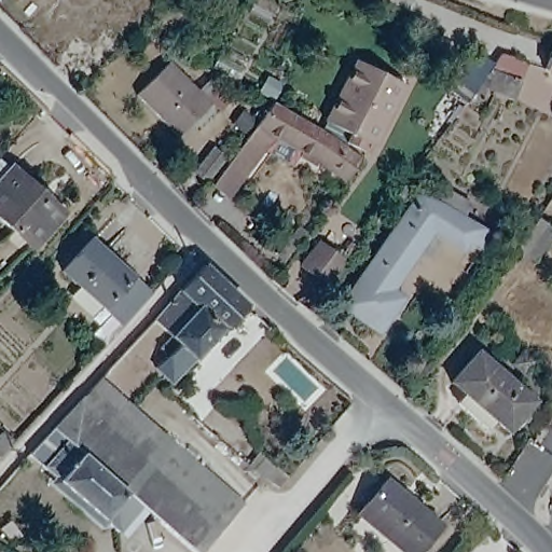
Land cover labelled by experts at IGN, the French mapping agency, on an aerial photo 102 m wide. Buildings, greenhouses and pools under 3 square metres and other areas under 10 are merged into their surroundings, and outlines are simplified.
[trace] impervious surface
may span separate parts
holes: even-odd
[[[332,252],[341,250],[354,248],[354,252],[358,252],[356,246],[362,244],[364,235],[358,233],[358,224],[354,220],[345,218],[343,213],[334,213],[326,207],[326,224],[321,226],[323,235],[311,242],[311,248],[300,257],[300,261],[306,259],[311,250],[319,244],[328,246]]]
[[[420,259],[414,263],[412,274],[418,278],[427,280],[436,289],[449,291],[453,282],[464,274],[470,257],[451,242],[433,237],[420,254]]]
[[[390,390],[386,390],[375,377],[371,377],[358,362],[354,362],[339,345],[323,339],[313,323],[308,323],[298,313],[300,302],[313,308],[330,300],[336,300],[332,287],[339,278],[339,272],[300,274],[300,261],[289,267],[287,285],[280,285],[276,289],[270,289],[257,274],[252,274],[211,233],[213,226],[218,226],[222,220],[229,220],[239,231],[252,229],[252,218],[237,209],[233,201],[218,196],[207,198],[205,205],[198,207],[194,207],[192,203],[185,198],[185,181],[175,183],[179,192],[173,194],[0,22],[0,73],[2,73],[2,60],[9,58],[39,91],[52,93],[56,97],[52,121],[65,134],[88,129],[119,160],[127,181],[155,205],[155,209],[173,224],[173,229],[179,235],[190,237],[190,246],[201,248],[211,261],[216,261],[224,272],[229,272],[237,280],[237,293],[250,304],[250,313],[246,315],[242,326],[222,334],[220,341],[201,358],[194,377],[196,392],[190,397],[190,405],[198,414],[201,418],[205,418],[213,410],[211,403],[209,390],[216,390],[229,373],[233,373],[237,362],[263,336],[265,328],[278,328],[285,326],[304,349],[308,349],[336,377],[341,377],[349,388],[354,388],[354,392],[360,392],[358,401],[349,405],[349,408],[354,412],[354,427],[360,429],[360,438],[354,442],[351,453],[354,457],[364,457],[373,449],[405,449],[408,444],[438,474],[438,481],[427,479],[427,474],[416,474],[408,481],[408,489],[416,492],[418,483],[425,483],[427,489],[438,489],[444,483],[457,496],[468,496],[477,507],[481,507],[487,513],[489,524],[498,528],[500,539],[507,541],[507,552],[552,552],[552,433],[548,429],[541,429],[535,440],[526,442],[511,472],[500,479],[498,483],[492,483],[442,436],[433,433],[433,429],[425,425],[420,416],[410,412]]]
[[[315,390],[308,397],[300,397],[276,373],[282,362],[295,367],[295,371],[313,384]],[[280,354],[265,369],[265,373],[276,386],[282,386],[285,390],[291,392],[298,408],[311,410],[323,395],[323,386],[315,375],[306,373],[287,354]]]
[[[362,474],[356,470],[351,472],[351,481],[345,485],[345,489],[336,496],[336,500],[330,507],[332,520],[339,524],[349,507]]]
[[[442,123],[451,123],[451,127],[457,121],[455,110],[461,106],[457,99],[449,99],[446,95],[444,95],[436,108],[433,125],[429,129],[431,136],[436,136]]]
[[[392,0],[410,9],[418,9],[427,17],[436,17],[444,30],[449,47],[453,43],[466,47],[479,39],[481,43],[485,43],[489,60],[498,63],[502,56],[511,56],[528,65],[526,75],[522,78],[520,95],[520,101],[528,108],[535,108],[539,112],[548,112],[552,108],[552,30],[550,30],[550,32],[546,32],[541,41],[526,35],[509,35],[505,30],[485,26],[472,17],[449,11],[429,0]]]
[[[367,520],[360,520],[354,526],[356,533],[364,535],[362,552],[395,552],[397,546],[380,528],[369,524]]]

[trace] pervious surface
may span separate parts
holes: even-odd
[[[207,444],[201,436],[196,436],[190,444],[198,451],[203,464],[209,464],[231,487],[239,492],[242,500],[246,502],[242,511],[233,518],[233,522],[213,541],[213,548],[218,552],[270,552],[276,546],[276,541],[287,533],[287,528],[300,518],[300,513],[311,505],[313,498],[326,487],[326,483],[336,474],[336,470],[349,459],[351,453],[354,442],[360,438],[360,429],[354,427],[354,412],[349,408],[339,418],[334,425],[334,438],[321,440],[317,446],[317,455],[313,457],[308,468],[298,477],[291,489],[267,492],[261,489],[259,481],[248,483],[244,479],[242,457],[235,457],[231,453],[220,455],[216,446]]]
[[[449,356],[444,369],[436,375],[436,412],[418,408],[412,399],[403,395],[403,388],[397,382],[392,382],[392,377],[386,375],[382,369],[367,360],[336,332],[330,323],[323,323],[317,317],[313,308],[300,302],[298,313],[308,323],[313,323],[323,339],[339,345],[354,362],[358,362],[371,377],[375,377],[386,390],[390,390],[410,412],[420,416],[425,425],[433,429],[433,433],[442,436],[492,483],[498,483],[500,479],[483,459],[479,459],[449,431],[449,423],[455,420],[459,412],[464,412],[464,392],[457,386],[451,388],[451,380],[457,377],[466,369],[466,364],[481,351],[483,343],[472,336],[466,336],[466,341]]]
[[[280,285],[274,278],[270,278],[263,270],[218,226],[213,226],[211,233],[252,274],[257,274],[270,289],[276,289]]]
[[[455,520],[451,515],[449,505],[455,502],[457,496],[444,483],[438,489],[438,496],[431,498],[431,505],[444,522],[442,535],[433,541],[436,552],[440,552],[455,533]]]
[[[162,244],[170,242],[175,246],[181,246],[181,257],[181,272],[177,276],[166,276],[160,282],[153,289],[144,304],[132,315],[132,319],[119,323],[116,330],[104,341],[104,349],[82,367],[73,382],[47,405],[47,410],[17,440],[11,446],[11,451],[0,457],[0,487],[11,479],[15,470],[19,470],[28,461],[35,449],[106,377],[106,373],[116,364],[116,360],[155,321],[160,313],[175,300],[175,295],[188,289],[211,261],[201,248],[190,246],[190,237],[179,235],[173,229],[173,224],[155,209],[155,205],[127,181],[119,160],[88,129],[65,134],[52,121],[56,97],[52,93],[39,91],[9,58],[2,60],[2,73],[19,86],[24,86],[28,95],[41,106],[41,114],[30,114],[28,123],[26,134],[19,136],[15,144],[11,144],[11,153],[4,155],[4,160],[6,164],[22,166],[22,170],[35,177],[39,183],[43,181],[37,164],[54,162],[58,166],[65,166],[65,173],[60,177],[54,177],[50,183],[50,190],[56,192],[65,183],[73,181],[78,188],[78,201],[71,203],[67,211],[69,224],[86,207],[91,196],[106,185],[106,177],[112,175],[114,185],[127,194],[127,203],[99,203],[99,218],[93,222],[97,233],[99,237],[106,237],[104,246],[112,244],[112,248],[123,250],[127,254],[127,263],[138,272],[138,276],[147,276],[149,267],[155,261],[155,252]]]
[[[349,405],[358,401],[360,392],[354,392],[354,388],[349,388],[341,377],[336,377],[308,349],[304,349],[285,326],[278,328],[278,332],[291,347],[300,351],[315,369],[323,371],[326,377],[332,384],[336,384],[343,392],[347,395]]]
[[[67,282],[67,278],[63,276],[63,267],[60,263],[54,265],[54,278],[58,287],[63,287],[63,291],[71,298],[80,289],[78,285]]]
[[[144,524],[134,535],[121,537],[123,552],[192,552],[194,543],[190,543],[181,533],[177,533],[164,518],[153,522],[151,515],[147,515]]]
[[[500,539],[481,541],[477,546],[479,552],[507,552],[507,541]]]
[[[101,60],[104,52],[108,52],[114,45],[114,39],[101,32],[97,43],[75,41],[63,50],[58,65],[54,65],[0,9],[0,22],[173,194],[179,192],[175,183],[164,173],[160,170],[155,160],[149,160],[129,138],[121,134],[97,110],[97,106],[82,91],[73,88],[73,84],[69,82],[69,73],[91,73],[91,65]]]
[[[546,19],[552,19],[552,0],[466,0],[468,4],[485,9],[496,15],[502,15],[505,9],[515,9],[528,15],[533,15],[533,17],[546,17]]]

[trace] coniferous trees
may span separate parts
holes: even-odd
[[[295,474],[306,459],[313,457],[317,455],[317,446],[321,440],[334,438],[334,425],[339,418],[330,412],[326,414],[326,425],[313,427],[311,420],[304,425],[306,433],[295,433],[287,442],[282,451],[272,459],[274,466],[282,468],[289,474]]]
[[[323,323],[330,323],[336,332],[345,328],[345,319],[351,313],[354,287],[347,278],[339,278],[332,287],[336,300],[330,300],[313,308],[317,317]]]
[[[58,524],[56,537],[52,541],[32,539],[26,543],[24,552],[65,552],[60,548],[60,541],[75,537],[80,530]]]

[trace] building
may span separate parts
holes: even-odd
[[[188,289],[175,295],[175,300],[160,313],[155,321],[177,332],[177,339],[168,343],[164,349],[155,347],[155,367],[151,373],[166,380],[168,388],[177,388],[183,375],[194,377],[201,358],[220,341],[222,334],[242,326],[246,315],[250,313],[250,304],[237,293],[237,280],[229,272],[224,272],[216,261],[211,261]]]
[[[300,261],[300,274],[339,272],[345,272],[345,259],[341,250],[332,252],[328,246],[319,244],[311,250],[306,259]]]
[[[455,86],[446,95],[449,99],[457,99],[461,106],[466,104],[479,110],[481,101],[487,101],[487,97],[496,97],[496,93],[520,95],[522,78],[526,75],[528,65],[511,56],[502,56],[498,63],[489,60],[479,71],[474,71],[468,86]]]
[[[356,75],[345,82],[341,91],[341,104],[330,112],[326,127],[311,125],[293,112],[285,106],[274,106],[246,142],[231,162],[224,177],[216,183],[218,196],[233,201],[242,183],[250,179],[250,168],[259,162],[261,153],[265,153],[274,144],[278,149],[289,149],[293,153],[304,155],[321,170],[330,170],[332,177],[343,179],[347,188],[356,192],[360,183],[367,179],[367,175],[375,168],[377,157],[386,151],[388,136],[395,123],[399,121],[403,108],[408,106],[408,99],[416,82],[414,75],[397,78],[360,60],[356,63]]]
[[[250,108],[244,108],[237,121],[226,121],[224,129],[231,132],[244,132],[252,125]]]
[[[224,160],[222,149],[213,149],[209,157],[201,162],[196,173],[196,181],[213,177],[218,168],[224,164]]]
[[[50,183],[43,181],[39,183],[35,177],[22,170],[22,166],[6,164],[4,160],[0,160],[0,229],[11,231],[9,239],[17,248],[28,246],[37,259],[47,257],[58,250],[69,224],[67,211],[71,203],[56,203],[56,192],[50,190]]]
[[[405,477],[392,474],[384,483],[382,492],[360,513],[360,520],[367,520],[369,524],[380,528],[397,546],[395,552],[436,552],[433,541],[442,535],[444,522],[431,505],[423,505],[416,492],[408,489],[408,481]]]
[[[451,388],[457,386],[464,392],[464,412],[472,420],[485,433],[492,433],[496,429],[496,423],[502,423],[509,429],[513,425],[522,425],[526,420],[528,423],[533,420],[535,410],[541,403],[541,388],[535,382],[533,369],[535,362],[513,358],[511,364],[507,364],[487,351],[481,351],[466,364],[466,369],[457,377],[451,380]]]
[[[86,533],[91,535],[97,552],[123,552],[121,537],[134,535],[144,524],[147,515],[151,515],[153,522],[164,518],[177,533],[181,533],[190,543],[194,543],[192,552],[218,552],[213,548],[213,541],[233,522],[233,518],[242,511],[246,502],[242,500],[239,492],[231,487],[209,464],[203,464],[198,451],[190,444],[177,444],[175,436],[142,408],[142,403],[132,403],[129,395],[106,377],[35,449],[28,461],[35,464],[37,470],[45,472],[47,487],[54,489],[54,494],[69,498],[75,507],[84,511],[84,515],[91,520],[91,528]]]
[[[229,101],[224,101],[213,91],[211,84],[198,88],[194,84],[196,78],[185,73],[177,65],[168,60],[168,67],[140,95],[151,104],[153,110],[160,112],[160,123],[179,129],[181,138],[192,129],[192,125],[198,119],[207,114],[211,106],[216,106],[216,112],[220,112]]]
[[[0,457],[11,451],[11,446],[17,440],[0,436]]]
[[[63,267],[63,276],[67,278],[67,282],[78,285],[80,289],[71,298],[67,311],[73,317],[84,315],[88,321],[95,321],[97,339],[104,341],[116,330],[119,323],[132,319],[132,315],[144,304],[153,289],[147,285],[147,276],[138,276],[138,272],[127,263],[127,254],[123,250],[112,248],[112,244],[104,246],[106,237],[99,237],[97,233],[82,248],[82,252],[67,267]]]
[[[541,257],[552,257],[552,224],[548,220],[537,222],[522,248],[520,261],[524,267],[537,270]]]
[[[285,86],[280,80],[267,80],[263,91],[263,95],[267,97],[278,97]]]
[[[474,250],[481,250],[485,246],[487,229],[470,220],[468,216],[487,213],[487,209],[472,194],[470,198],[455,196],[449,196],[444,201],[436,201],[431,196],[423,196],[420,201],[408,201],[405,216],[392,231],[354,287],[351,313],[375,332],[384,332],[388,336],[390,326],[401,319],[403,308],[414,298],[418,278],[412,274],[414,263],[420,259],[420,254],[433,237],[451,242],[470,257]]]

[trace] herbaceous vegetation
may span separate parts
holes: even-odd
[[[58,524],[80,530],[86,533],[91,528],[91,520],[84,515],[84,511],[75,507],[69,498],[54,494],[54,489],[47,487],[45,472],[37,470],[35,464],[28,461],[19,470],[15,470],[11,479],[0,487],[0,539],[22,537],[26,543],[32,539],[52,541],[56,537]]]
[[[369,261],[347,278],[354,287],[392,231],[380,231],[371,246]]]
[[[242,457],[244,479],[248,483],[259,481],[261,489],[267,492],[291,489],[298,477],[308,468],[313,457],[306,459],[295,474],[289,474],[282,468],[274,466],[272,459],[265,455],[250,453],[250,444],[242,427],[233,418],[226,418],[218,410],[213,410],[205,418],[201,418],[198,414],[188,416],[175,401],[168,401],[160,390],[151,390],[142,403],[142,408],[175,436],[177,444],[190,444],[196,436],[201,436],[207,444],[216,446],[220,455],[231,453],[235,457]]]
[[[416,82],[408,99],[408,106],[403,108],[399,121],[395,123],[388,136],[386,151],[377,157],[375,168],[367,175],[367,179],[360,183],[356,192],[343,213],[345,218],[354,220],[358,224],[358,233],[364,235],[369,220],[373,216],[380,216],[388,207],[388,175],[401,164],[403,155],[414,157],[423,151],[431,136],[429,129],[433,125],[436,108],[444,95],[438,84]]]
[[[468,287],[468,282],[479,274],[483,257],[489,254],[489,248],[494,244],[498,222],[502,222],[496,209],[487,209],[487,213],[468,216],[470,220],[487,229],[485,246],[481,250],[474,250],[470,257],[464,274],[453,282],[449,291],[436,289],[427,280],[418,278],[414,298],[403,308],[401,319],[390,326],[388,336],[384,332],[375,332],[373,336],[364,336],[364,345],[375,351],[380,345],[386,343],[384,351],[388,362],[392,367],[405,367],[408,362],[420,362],[414,339],[438,336],[444,323],[453,321],[451,306],[455,304],[457,295]]]
[[[317,13],[313,22],[291,22],[287,22],[285,26],[285,30],[291,35],[291,45],[313,47],[321,37],[326,37],[326,41],[332,47],[330,56],[326,56],[326,52],[319,50],[321,56],[313,63],[313,67],[300,67],[295,63],[289,67],[291,82],[289,86],[285,86],[278,97],[267,97],[263,106],[250,108],[252,125],[244,132],[231,132],[224,129],[226,121],[237,121],[244,108],[235,108],[229,101],[220,112],[216,112],[216,106],[211,106],[207,114],[198,119],[192,125],[192,129],[181,138],[179,129],[160,123],[160,112],[153,110],[151,104],[140,95],[168,67],[168,60],[157,56],[155,45],[147,45],[144,54],[153,63],[144,73],[138,73],[136,67],[132,67],[127,60],[116,58],[106,65],[101,80],[97,80],[95,84],[97,97],[101,101],[97,106],[97,110],[121,134],[129,138],[132,132],[138,132],[144,138],[149,138],[155,149],[155,160],[160,170],[164,173],[170,160],[175,160],[177,153],[185,147],[198,151],[201,162],[209,157],[213,149],[222,149],[231,138],[242,138],[246,142],[274,106],[285,106],[291,88],[304,91],[308,95],[306,101],[311,101],[313,108],[304,112],[293,108],[293,112],[311,125],[326,127],[330,112],[341,104],[341,91],[345,82],[356,75],[356,63],[360,60],[397,78],[399,60],[395,60],[377,43],[377,35],[369,28],[364,11],[358,17],[347,19],[343,13]],[[125,112],[125,97],[132,97],[140,104],[144,112],[140,119],[132,119]]]
[[[19,265],[15,272],[13,291],[13,298],[24,311],[28,306],[39,306],[58,287],[54,278],[54,265],[47,257],[37,259],[32,265]]]
[[[425,54],[429,56],[429,65],[440,67],[444,58],[455,58],[464,54],[466,47],[453,43],[449,47],[444,30],[440,35],[429,37],[423,43]]]
[[[125,30],[127,24],[140,22],[142,13],[149,9],[149,0],[0,0],[0,9],[54,65],[58,65],[63,50],[75,41],[97,43],[101,32],[114,39]]]
[[[315,535],[308,535],[308,539],[304,541],[306,552],[362,552],[364,535],[356,533],[351,541],[345,541],[339,524],[332,520],[328,524],[319,524]]]
[[[289,224],[300,222],[300,229],[306,229],[313,203],[304,198],[304,192],[298,181],[298,166],[304,164],[313,173],[321,170],[304,155],[293,153],[289,149],[278,149],[274,144],[265,153],[261,153],[259,162],[250,168],[250,179],[257,179],[254,192],[267,194],[272,201],[280,201],[280,205],[287,211],[285,220]]]
[[[218,168],[213,177],[196,181],[196,173],[190,173],[185,181],[185,198],[192,203],[198,192],[205,190],[205,185],[216,183],[224,177],[231,162],[224,160],[224,164]]]
[[[300,513],[300,518],[287,528],[287,533],[276,541],[276,546],[270,552],[289,552],[287,546],[291,543],[291,539],[319,511],[311,505]]]
[[[382,492],[384,483],[392,474],[362,474],[349,507],[360,513]]]
[[[185,73],[196,78],[194,84],[198,88],[211,84],[216,78],[220,78],[222,71],[218,69],[201,73],[201,69],[190,67],[190,63],[185,63],[183,58],[179,58],[177,65]]]
[[[496,429],[492,433],[485,433],[472,420],[466,425],[464,431],[487,453],[507,457],[513,451],[513,436],[520,429],[528,427],[528,423],[526,420],[522,425],[513,425],[509,429],[502,423],[496,423]]]
[[[280,354],[276,343],[263,336],[237,362],[233,373],[229,373],[216,390],[209,390],[211,403],[242,401],[257,392],[263,401],[259,423],[267,423],[267,429],[280,442],[287,442],[295,433],[306,433],[304,425],[311,420],[313,427],[326,425],[326,414],[330,412],[332,401],[341,405],[336,395],[343,392],[336,384],[332,384],[326,377],[323,371],[315,369],[300,351],[291,347],[287,354],[306,373],[315,375],[323,386],[323,395],[311,410],[298,408],[295,412],[274,410],[274,397],[280,397],[285,390],[282,386],[276,386],[265,373],[265,369]]]
[[[530,26],[533,26],[533,28],[537,28],[537,30],[541,30],[541,32],[546,32],[550,32],[550,30],[552,30],[552,19],[546,19],[546,17],[533,17],[533,15],[528,15],[528,22],[530,22]]]
[[[494,289],[492,295],[494,302],[502,306],[502,311],[511,317],[520,341],[524,341],[526,345],[537,345],[543,351],[543,356],[552,358],[552,257],[541,257],[537,270],[524,267],[520,261],[502,276],[500,285]]]
[[[11,144],[15,144],[19,136],[26,134],[28,123],[0,123],[0,160],[4,160],[4,155],[11,153]]]
[[[155,321],[116,360],[116,364],[106,373],[106,377],[129,395],[151,373],[155,367],[155,347],[164,349],[168,343],[177,339],[177,332]]]
[[[0,229],[0,270],[4,265],[17,248],[9,239],[11,231]]]
[[[239,235],[246,242],[254,244],[265,257],[272,259],[285,263],[287,257],[293,254],[295,246],[285,246],[285,250],[278,252],[270,250],[252,235],[252,229],[239,231]]]

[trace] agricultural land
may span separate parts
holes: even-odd
[[[6,289],[0,295],[0,436],[17,440],[47,410],[47,405],[73,382],[82,367],[73,362],[75,349],[67,341],[63,326],[45,328],[39,321],[28,319],[24,311],[13,298],[13,291]]]
[[[257,0],[254,6],[246,9],[244,17],[229,28],[229,32],[233,32],[231,56],[220,58],[218,69],[222,71],[226,71],[231,78],[239,78],[235,82],[237,88],[263,91],[267,80],[280,80],[285,86],[289,86],[291,82],[289,67],[295,63],[291,45],[291,35],[285,30],[285,26],[287,22],[291,22],[291,11],[282,11],[276,6],[276,2],[265,0]]]
[[[548,112],[539,112],[535,108],[528,108],[520,101],[520,95],[496,93],[496,97],[487,97],[487,101],[481,101],[479,110],[466,104],[461,106],[455,110],[457,121],[451,127],[449,134],[431,149],[429,155],[429,160],[444,173],[449,185],[453,185],[455,196],[470,198],[472,194],[474,170],[485,170],[494,177],[500,190],[509,190],[522,198],[530,198],[533,181],[552,179],[552,108]]]

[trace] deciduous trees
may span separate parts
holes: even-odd
[[[185,181],[190,173],[196,173],[201,162],[198,151],[185,147],[177,153],[175,160],[170,160],[164,173],[175,183]]]
[[[41,106],[28,95],[24,86],[19,86],[2,73],[0,73],[0,123],[28,123],[30,114],[41,114]]]
[[[237,88],[235,82],[239,78],[231,78],[226,71],[222,71],[220,78],[216,78],[211,84],[213,91],[224,101],[229,101],[235,108],[244,108],[250,108],[263,106],[267,97],[263,95],[263,91]]]
[[[313,63],[321,56],[319,50],[326,52],[326,56],[330,56],[332,47],[326,41],[326,37],[321,37],[313,47],[291,45],[295,63],[300,67],[313,67]]]
[[[244,17],[246,9],[254,6],[257,0],[149,0],[149,9],[142,13],[140,22],[127,24],[125,30],[114,39],[114,45],[127,45],[127,60],[132,67],[136,67],[138,73],[144,73],[153,63],[144,54],[147,45],[155,45],[157,56],[168,60],[177,65],[179,58],[183,58],[185,63],[190,63],[190,67],[201,69],[201,73],[218,69],[220,58],[231,56],[233,32],[229,32],[229,28]]]
[[[308,95],[304,91],[291,88],[285,106],[293,112],[293,108],[304,112],[313,108],[311,101],[306,101]]]
[[[280,354],[287,354],[291,347],[278,332],[278,328],[265,328],[263,336],[276,343]]]
[[[39,306],[28,306],[24,311],[28,319],[39,321],[45,328],[63,326],[67,341],[75,349],[73,362],[82,367],[104,349],[104,341],[97,339],[95,321],[88,321],[84,315],[73,317],[67,311],[71,298],[63,291],[63,287],[58,287]]]
[[[160,282],[166,276],[177,276],[181,272],[181,257],[168,257],[164,261],[157,276]]]
[[[231,162],[246,142],[242,138],[231,138],[222,149],[224,160]]]
[[[498,528],[489,524],[487,513],[481,507],[477,507],[468,496],[457,496],[455,502],[449,505],[451,515],[455,520],[455,533],[440,552],[479,552],[477,546],[481,541],[500,539]]]
[[[250,444],[250,453],[265,455],[272,459],[282,451],[287,442],[280,442],[267,429],[267,423],[259,423],[263,401],[257,392],[242,401],[211,403],[213,410],[218,410],[226,418],[233,418],[242,427]]]
[[[218,196],[216,183],[205,185],[205,190],[198,192],[192,203],[194,207],[198,207],[205,205],[207,198]]]
[[[326,207],[334,213],[343,213],[356,192],[347,188],[343,179],[332,177],[330,170],[321,170],[313,173],[304,164],[298,166],[298,181],[304,192],[304,198],[313,203],[306,229],[300,229],[300,222],[289,224],[285,220],[287,211],[280,205],[280,201],[272,201],[267,194],[254,192],[257,179],[250,179],[242,183],[233,201],[237,209],[252,218],[252,229],[252,235],[270,250],[278,252],[285,250],[285,246],[295,246],[293,254],[287,257],[285,263],[272,259],[263,270],[270,278],[274,278],[280,285],[287,285],[289,267],[300,261],[300,257],[311,248],[311,242],[323,235],[321,226],[326,224]]]
[[[56,192],[56,203],[71,203],[78,201],[78,188],[73,181],[65,183]]]
[[[386,375],[392,377],[392,382],[397,382],[403,388],[403,395],[412,399],[418,408],[436,412],[436,375],[444,369],[449,356],[466,341],[466,336],[472,336],[483,343],[481,351],[487,351],[507,364],[511,364],[513,358],[535,362],[533,369],[535,382],[541,388],[541,403],[535,410],[533,420],[528,423],[528,427],[520,429],[513,436],[513,451],[507,457],[487,453],[483,459],[500,479],[511,472],[526,442],[535,440],[541,429],[548,429],[552,433],[552,358],[543,356],[543,351],[537,345],[526,345],[524,341],[520,341],[511,317],[502,311],[502,306],[494,302],[492,295],[494,289],[500,285],[502,276],[520,261],[522,248],[537,222],[530,216],[530,209],[518,209],[518,203],[522,198],[509,190],[500,190],[494,177],[485,170],[474,170],[472,194],[487,209],[496,209],[502,222],[498,222],[494,244],[489,248],[489,254],[483,257],[479,274],[468,282],[468,287],[457,295],[455,304],[451,306],[453,321],[444,323],[438,336],[414,339],[420,362],[408,362],[405,367],[392,367],[388,362],[382,369]]]
[[[280,397],[274,397],[274,410],[295,412],[298,408],[291,392],[285,390]]]
[[[86,533],[80,530],[75,537],[60,541],[60,548],[65,552],[97,552],[91,535]]]
[[[4,265],[0,270],[0,295],[6,289],[13,291],[15,272]]]
[[[438,84],[444,95],[446,95],[455,86],[468,86],[474,71],[479,71],[489,60],[485,43],[481,43],[479,39],[466,47],[464,54],[455,58],[444,58],[440,67],[429,65],[429,56],[425,54],[423,43],[429,37],[440,35],[444,30],[436,17],[427,17],[418,9],[410,9],[392,0],[265,0],[276,2],[276,6],[282,11],[291,11],[291,22],[313,22],[317,13],[343,13],[347,19],[358,17],[364,11],[369,28],[377,35],[377,43],[395,60],[399,60],[397,78],[414,75],[416,82]]]
[[[405,216],[408,201],[420,201],[423,196],[431,196],[436,201],[444,201],[449,196],[455,196],[453,185],[449,185],[444,173],[429,160],[429,155],[423,151],[414,157],[403,155],[401,164],[388,175],[388,207],[380,216],[373,216],[369,220],[364,235],[362,244],[356,246],[358,252],[354,252],[354,248],[341,250],[345,259],[345,272],[339,272],[339,278],[347,278],[369,261],[371,246],[380,231],[392,231]]]

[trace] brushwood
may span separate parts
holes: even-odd
[[[487,453],[464,431],[466,425],[472,420],[464,412],[459,412],[455,420],[449,423],[449,431],[479,459],[483,459]]]
[[[140,119],[144,112],[140,104],[132,97],[125,97],[125,112],[132,119]]]
[[[429,155],[431,149],[449,134],[451,127],[451,123],[442,123],[436,136],[431,136],[423,151]]]
[[[0,552],[24,552],[26,543],[22,537],[0,539]]]
[[[341,405],[332,401],[330,412],[339,418],[349,408],[349,405],[347,395],[343,392],[336,395]]]
[[[229,220],[222,220],[218,226],[263,270],[272,259],[265,257],[254,244],[246,242],[239,235],[239,231]]]
[[[175,246],[170,242],[162,244],[155,252],[155,261],[149,267],[147,276],[147,285],[153,289],[160,282],[157,276],[164,261],[168,257],[181,257],[181,246]]]
[[[509,35],[526,35],[541,41],[546,32],[541,32],[541,30],[537,30],[537,28],[533,28],[533,26],[530,26],[530,22],[528,22],[528,15],[515,9],[505,9],[502,15],[496,15],[485,9],[468,4],[466,0],[429,0],[449,11],[472,17],[485,26],[505,30]]]
[[[177,388],[168,388],[166,380],[151,373],[129,395],[132,403],[142,403],[151,390],[160,390],[168,401],[175,401],[188,416],[198,414],[190,405],[190,397],[196,392],[194,377],[183,375]]]
[[[360,513],[349,507],[339,524],[345,541],[351,541],[356,533],[354,526],[360,520]]]
[[[149,160],[155,160],[155,149],[149,138],[144,138],[138,132],[132,132],[129,138]]]
[[[19,265],[32,265],[37,259],[28,246],[17,248],[4,265],[15,272]]]
[[[364,345],[364,336],[373,336],[375,332],[351,313],[345,319],[345,328],[336,332],[367,360],[382,369],[388,362],[384,351],[386,343],[380,345],[375,351]]]
[[[127,45],[114,45],[108,52],[104,52],[101,60],[91,65],[91,73],[69,73],[69,82],[73,84],[73,88],[82,91],[97,106],[101,101],[97,97],[95,84],[97,80],[101,80],[106,65],[116,58],[127,60]]]
[[[60,263],[63,267],[67,267],[82,252],[82,248],[97,233],[93,222],[99,218],[99,203],[127,203],[127,194],[114,185],[112,175],[106,177],[106,185],[91,196],[86,207],[69,224],[58,250],[47,257],[54,265]]]
[[[65,166],[58,166],[54,162],[37,164],[43,181],[50,183],[54,177],[60,177],[65,173]]]
[[[364,457],[354,457],[351,453],[349,459],[336,470],[336,474],[326,483],[326,487],[313,498],[311,505],[319,511],[291,539],[291,543],[287,546],[289,552],[306,552],[304,541],[308,539],[308,535],[315,535],[319,524],[328,524],[332,520],[330,507],[336,500],[336,496],[345,489],[345,485],[351,481],[351,472],[356,470],[362,474],[392,474],[405,477],[408,481],[416,474],[427,474],[427,479],[438,481],[438,474],[408,444],[405,449],[373,449]]]
[[[427,489],[425,483],[418,483],[416,492],[423,505],[431,505],[431,498],[438,496],[438,489]]]
[[[533,181],[530,198],[522,198],[518,203],[518,209],[530,209],[530,216],[537,222],[548,220],[552,224],[552,179]]]

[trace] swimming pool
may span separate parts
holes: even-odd
[[[282,362],[276,373],[300,397],[308,397],[315,390],[313,384],[295,371],[295,367]]]

